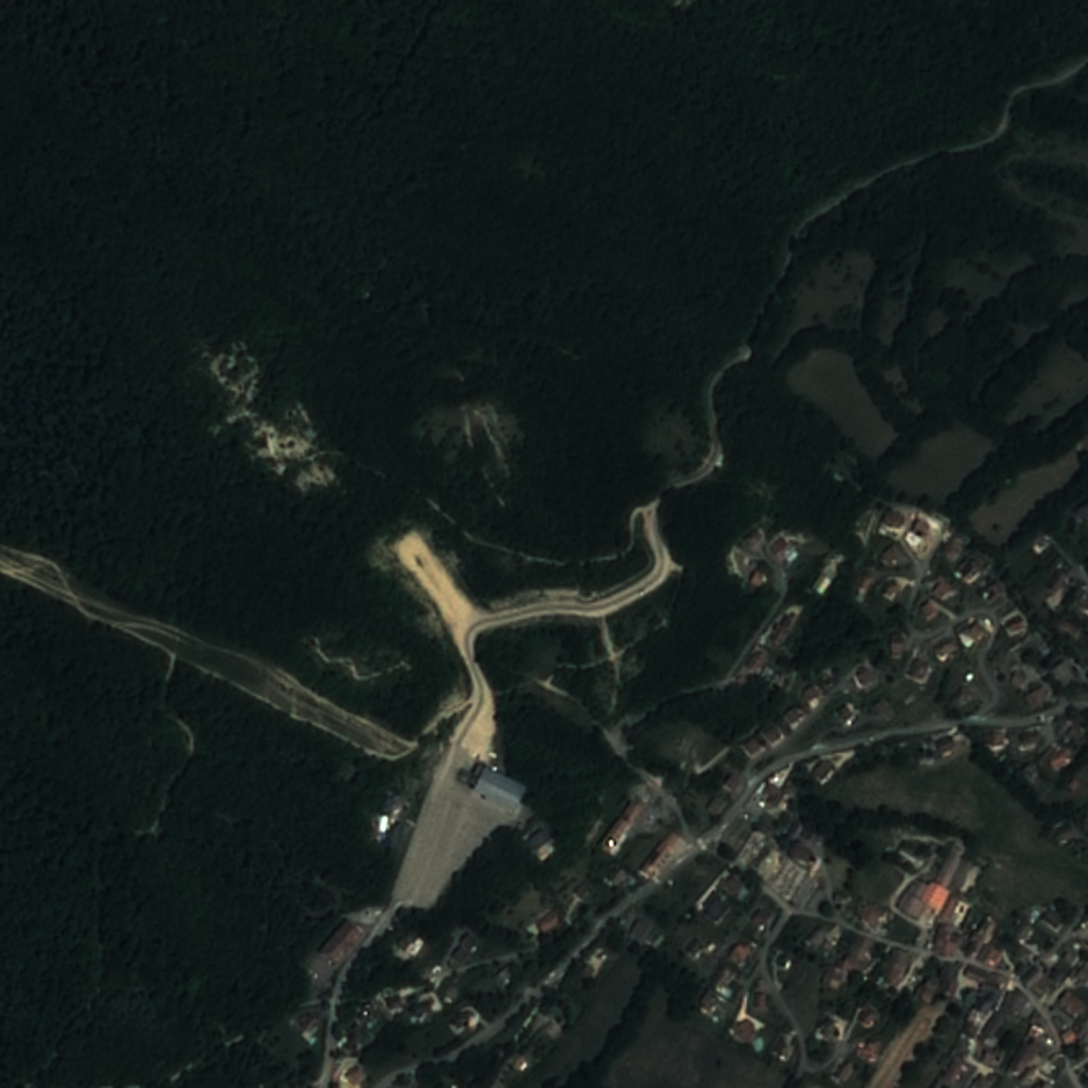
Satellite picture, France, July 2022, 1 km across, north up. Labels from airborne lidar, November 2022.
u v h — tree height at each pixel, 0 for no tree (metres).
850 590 18
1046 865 0
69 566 13
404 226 15
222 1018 9
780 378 14
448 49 17
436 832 0
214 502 14
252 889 19
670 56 15
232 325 11
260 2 13
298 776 18
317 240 12
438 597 0
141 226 15
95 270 17
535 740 14
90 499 23
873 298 12
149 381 21
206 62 16
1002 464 18
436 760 0
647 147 18
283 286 20
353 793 12
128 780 15
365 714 8
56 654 28
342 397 16
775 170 13
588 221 10
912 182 9
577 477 15
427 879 0
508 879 12
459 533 12
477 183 14
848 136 9
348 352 14
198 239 17
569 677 6
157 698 20
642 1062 0
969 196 17
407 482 16
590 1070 20
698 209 12
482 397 8
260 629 13
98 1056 17
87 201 20
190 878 14
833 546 15
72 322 23
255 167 12
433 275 17
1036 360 18
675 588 8
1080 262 11
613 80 14
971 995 15
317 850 14
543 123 11
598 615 0
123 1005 18
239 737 18
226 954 15
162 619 13
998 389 18
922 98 10
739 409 13
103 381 31
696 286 16
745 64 8
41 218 18
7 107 14
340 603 17
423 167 12
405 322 14
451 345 13
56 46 23
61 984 10
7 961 17
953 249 10
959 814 0
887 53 14
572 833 12
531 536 11
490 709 0
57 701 20
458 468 7
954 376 16
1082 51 10
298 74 18
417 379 10
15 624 20
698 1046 0
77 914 18
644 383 10
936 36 15
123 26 19
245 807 15
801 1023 0
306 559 17
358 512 14
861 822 18
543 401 12
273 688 0
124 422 19
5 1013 13
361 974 14
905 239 19
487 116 12
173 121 19
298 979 15
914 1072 18
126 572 15
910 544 0
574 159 14
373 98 15
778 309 17
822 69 10
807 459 20
